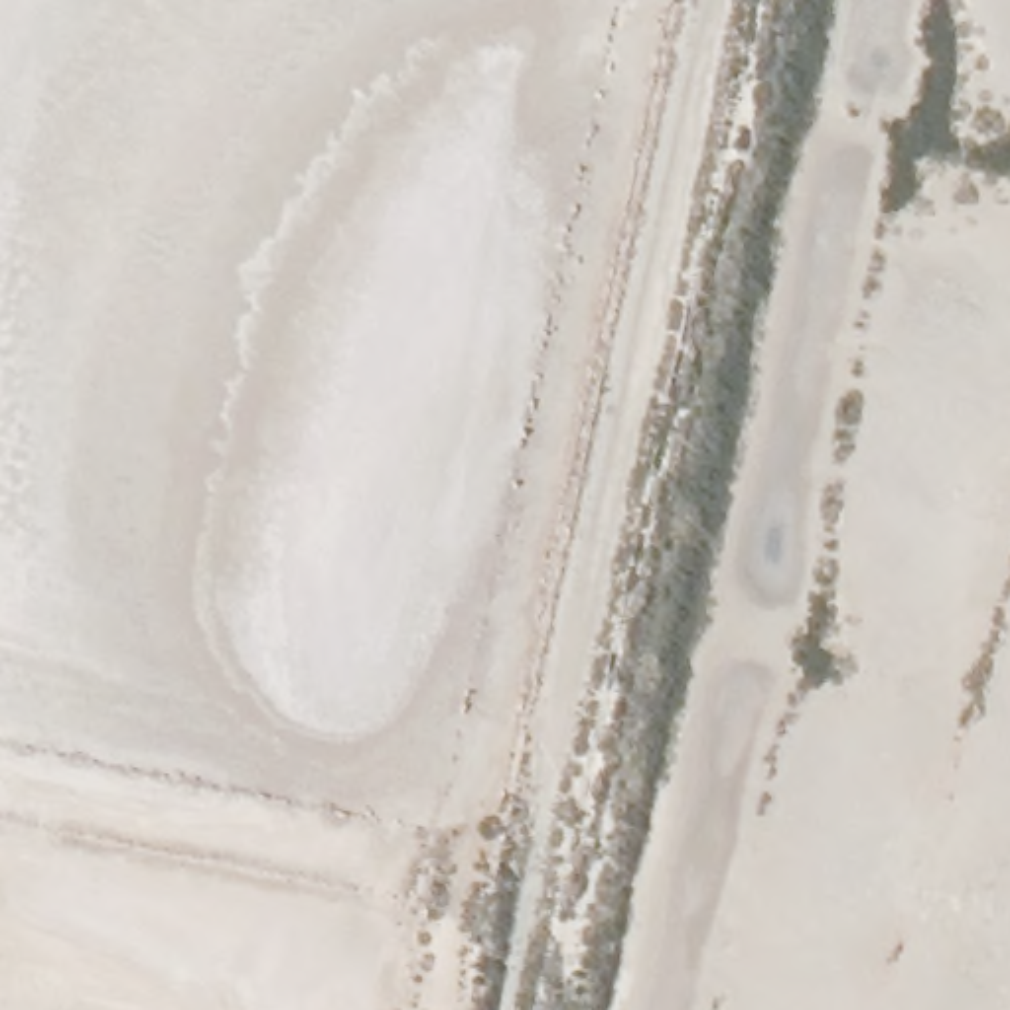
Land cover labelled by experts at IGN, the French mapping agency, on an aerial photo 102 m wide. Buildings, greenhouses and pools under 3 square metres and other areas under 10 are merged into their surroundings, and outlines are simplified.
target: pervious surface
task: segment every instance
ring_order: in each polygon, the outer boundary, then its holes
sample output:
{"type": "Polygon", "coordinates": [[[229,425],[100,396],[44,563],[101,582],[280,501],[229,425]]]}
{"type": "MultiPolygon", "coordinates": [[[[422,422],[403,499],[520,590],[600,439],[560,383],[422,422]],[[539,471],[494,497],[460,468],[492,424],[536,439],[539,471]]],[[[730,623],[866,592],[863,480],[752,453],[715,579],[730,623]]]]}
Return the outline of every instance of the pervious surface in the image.
{"type": "Polygon", "coordinates": [[[955,95],[967,107],[994,107],[1010,118],[1010,0],[951,0],[959,43],[955,95]]]}
{"type": "Polygon", "coordinates": [[[592,683],[596,635],[612,592],[612,560],[623,533],[627,477],[639,454],[639,426],[667,343],[667,308],[679,276],[679,253],[690,217],[694,174],[702,162],[714,83],[726,63],[726,28],[734,16],[734,0],[0,0],[0,1010],[473,1010],[477,963],[493,947],[501,848],[517,844],[517,852],[525,856],[529,848],[537,848],[548,856],[556,801],[576,801],[584,809],[596,801],[604,738],[612,730],[619,686],[592,683]]]}
{"type": "Polygon", "coordinates": [[[623,935],[623,963],[612,1010],[1010,1010],[1010,178],[998,178],[971,205],[951,197],[939,209],[919,213],[907,201],[900,213],[892,213],[880,205],[880,193],[888,185],[884,130],[892,118],[903,118],[915,107],[919,79],[927,71],[927,0],[836,0],[825,75],[817,87],[817,118],[797,150],[797,170],[777,213],[773,288],[754,324],[750,406],[738,438],[722,544],[710,568],[710,619],[690,651],[686,702],[675,718],[667,777],[659,781],[647,848],[635,872],[631,923],[623,935]],[[856,659],[852,675],[821,686],[813,686],[801,675],[801,663],[793,659],[793,639],[805,631],[813,596],[832,600],[832,627],[825,635],[825,647],[832,655],[856,659]]]}

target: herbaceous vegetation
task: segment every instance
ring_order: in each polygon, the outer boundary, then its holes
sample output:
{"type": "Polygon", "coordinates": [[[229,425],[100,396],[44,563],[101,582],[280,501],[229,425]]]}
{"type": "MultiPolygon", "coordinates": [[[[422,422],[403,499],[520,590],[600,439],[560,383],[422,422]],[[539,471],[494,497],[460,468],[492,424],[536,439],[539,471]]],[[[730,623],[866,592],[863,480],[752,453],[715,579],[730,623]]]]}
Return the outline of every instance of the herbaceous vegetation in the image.
{"type": "Polygon", "coordinates": [[[797,170],[797,150],[817,118],[817,87],[825,75],[836,0],[734,0],[734,16],[726,28],[726,63],[714,83],[702,162],[694,174],[690,217],[679,253],[679,276],[667,308],[667,343],[639,426],[639,454],[627,477],[623,533],[612,560],[612,592],[596,635],[592,683],[619,686],[612,730],[604,738],[596,801],[584,809],[576,801],[556,801],[548,856],[537,848],[529,848],[525,856],[517,852],[517,844],[501,848],[493,947],[477,963],[473,1010],[612,1010],[623,963],[623,935],[631,923],[635,872],[647,848],[659,781],[667,777],[675,718],[686,702],[690,651],[710,619],[710,568],[722,544],[738,438],[750,406],[754,324],[773,288],[777,213],[797,170]]]}
{"type": "Polygon", "coordinates": [[[892,213],[900,213],[907,201],[919,213],[939,209],[951,197],[971,205],[998,178],[1010,178],[1010,118],[994,107],[967,107],[955,95],[959,43],[951,0],[927,0],[927,71],[919,79],[915,107],[903,118],[892,118],[884,130],[888,185],[880,193],[880,205],[892,213]]]}
{"type": "Polygon", "coordinates": [[[801,675],[813,686],[821,686],[852,675],[856,659],[832,655],[825,647],[825,635],[832,627],[832,600],[813,596],[805,631],[793,639],[793,659],[801,663],[801,675]]]}

